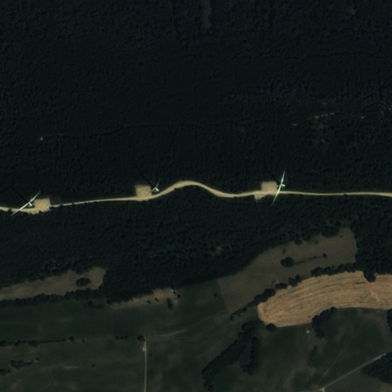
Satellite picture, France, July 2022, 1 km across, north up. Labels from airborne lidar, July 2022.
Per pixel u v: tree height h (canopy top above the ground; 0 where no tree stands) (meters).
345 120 15
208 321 0
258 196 0
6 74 19
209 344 0
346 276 0
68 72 22
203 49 23
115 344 0
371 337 0
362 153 6
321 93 17
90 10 17
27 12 25
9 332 0
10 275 12
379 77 24
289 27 34
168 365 0
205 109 15
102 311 0
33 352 0
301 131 21
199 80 19
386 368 7
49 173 14
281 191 0
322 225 19
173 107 16
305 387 0
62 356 0
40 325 0
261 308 0
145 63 17
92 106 19
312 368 0
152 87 21
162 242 24
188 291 0
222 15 34
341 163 9
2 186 10
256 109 16
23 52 17
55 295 13
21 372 0
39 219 14
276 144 16
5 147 21
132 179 14
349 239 0
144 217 22
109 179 13
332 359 0
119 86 18
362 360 0
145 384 0
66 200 7
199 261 29
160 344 0
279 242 19
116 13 22
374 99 15
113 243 16
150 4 29
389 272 22
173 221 19
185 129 14
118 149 20
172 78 22
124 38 17
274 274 0
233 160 19
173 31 12
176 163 17
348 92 6
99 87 22
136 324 0
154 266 16
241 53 17
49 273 24
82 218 19
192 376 0
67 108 19
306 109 6
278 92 28
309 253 0
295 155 23
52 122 18
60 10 21
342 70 21
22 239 15
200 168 20
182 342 0
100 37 12
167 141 21
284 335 0
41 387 0
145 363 0
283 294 0
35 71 23
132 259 18
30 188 10
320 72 21
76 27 17
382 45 24
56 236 16
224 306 0
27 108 11
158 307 0
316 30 16
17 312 0
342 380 0
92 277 0
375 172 19
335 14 31
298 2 28
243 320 0
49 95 18
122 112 12
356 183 21
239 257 27
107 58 22
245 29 25
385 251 18
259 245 17
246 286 0
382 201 20
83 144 17
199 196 18
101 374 0
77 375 0
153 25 24
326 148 26
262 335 0
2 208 0
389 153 15
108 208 10
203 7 27
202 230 20
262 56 26
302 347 0
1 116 23
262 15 24
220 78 12
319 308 0
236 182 24
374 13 29
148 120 20
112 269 8
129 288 27
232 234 21
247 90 17
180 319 0
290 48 18
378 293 0
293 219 24
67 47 23
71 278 0
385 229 24
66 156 21
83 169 18
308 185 19
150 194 0
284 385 0
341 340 0
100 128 19
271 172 20
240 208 13
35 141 11
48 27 16
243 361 0
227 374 0
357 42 27
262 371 0
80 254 17
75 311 0
